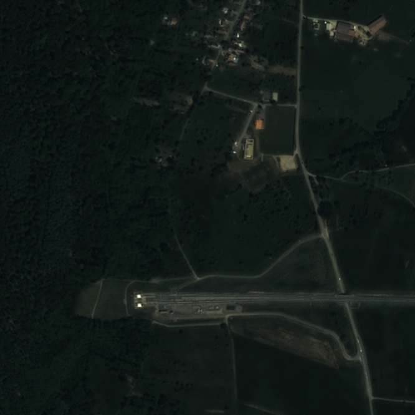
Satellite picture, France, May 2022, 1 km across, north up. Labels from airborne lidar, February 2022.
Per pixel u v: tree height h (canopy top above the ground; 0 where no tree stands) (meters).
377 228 0
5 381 29
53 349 30
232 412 0
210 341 0
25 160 27
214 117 0
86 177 30
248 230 0
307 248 0
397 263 0
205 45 11
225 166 13
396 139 35
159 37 0
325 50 0
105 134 32
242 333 0
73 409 21
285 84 0
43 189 17
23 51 18
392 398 0
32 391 25
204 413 0
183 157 0
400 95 0
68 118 25
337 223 0
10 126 13
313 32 0
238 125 0
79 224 30
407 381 0
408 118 0
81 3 24
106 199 20
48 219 30
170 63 19
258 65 0
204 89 0
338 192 0
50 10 17
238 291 0
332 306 0
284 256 0
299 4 6
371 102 0
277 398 0
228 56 0
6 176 25
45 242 30
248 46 0
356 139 0
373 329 0
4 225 10
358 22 0
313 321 0
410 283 0
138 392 0
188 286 0
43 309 21
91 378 0
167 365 0
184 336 0
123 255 21
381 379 0
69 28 27
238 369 0
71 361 19
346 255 0
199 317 0
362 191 0
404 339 0
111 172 25
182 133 0
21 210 26
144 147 23
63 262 28
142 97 23
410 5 0
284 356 0
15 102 20
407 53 0
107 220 24
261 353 0
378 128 12
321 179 13
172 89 9
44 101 27
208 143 0
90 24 36
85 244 31
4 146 19
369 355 0
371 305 0
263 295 0
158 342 0
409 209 0
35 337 24
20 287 31
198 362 0
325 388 0
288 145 0
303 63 0
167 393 0
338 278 0
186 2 15
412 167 0
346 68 0
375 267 0
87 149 32
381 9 0
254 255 0
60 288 27
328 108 0
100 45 29
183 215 0
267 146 0
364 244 0
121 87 31
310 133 0
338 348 0
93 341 23
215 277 0
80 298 0
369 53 0
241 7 0
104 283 0
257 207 0
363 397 0
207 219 0
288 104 0
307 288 0
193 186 0
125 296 0
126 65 34
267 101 0
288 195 7
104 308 0
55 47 31
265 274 0
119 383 0
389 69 0
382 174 0
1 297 26
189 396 0
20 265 29
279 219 0
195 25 0
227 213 0
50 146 31
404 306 0
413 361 0
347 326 0
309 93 0
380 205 0
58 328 27
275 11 8
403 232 0
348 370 0
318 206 0
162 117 0
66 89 34
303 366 0
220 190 0
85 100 33
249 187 0
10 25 9
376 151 0
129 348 24
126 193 28
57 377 22
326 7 0
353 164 18
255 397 0
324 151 0
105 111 29
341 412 0
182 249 0
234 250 0
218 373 0
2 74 14
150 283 0
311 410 0
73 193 27
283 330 0
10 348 27
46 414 19
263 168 0
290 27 0
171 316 0
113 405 0
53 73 33
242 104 0
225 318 0
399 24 0
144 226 24
